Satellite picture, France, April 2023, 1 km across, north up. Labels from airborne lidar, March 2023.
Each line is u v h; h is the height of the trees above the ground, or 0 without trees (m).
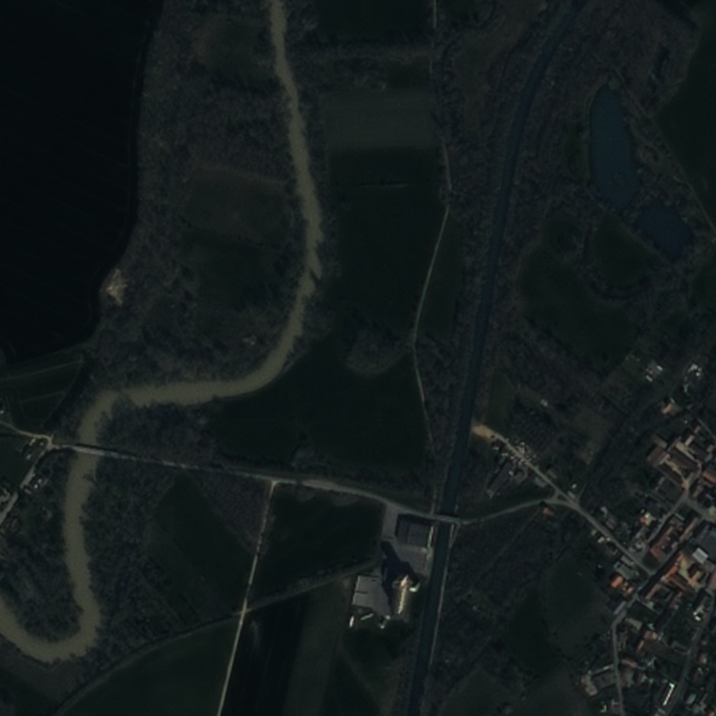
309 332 18
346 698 0
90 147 0
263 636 0
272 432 0
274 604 0
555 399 19
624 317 0
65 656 0
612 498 20
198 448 31
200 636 0
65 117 0
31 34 0
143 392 0
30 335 0
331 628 0
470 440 0
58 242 0
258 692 0
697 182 0
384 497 0
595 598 0
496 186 8
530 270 0
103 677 22
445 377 20
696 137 0
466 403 0
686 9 0
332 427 0
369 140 0
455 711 0
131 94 0
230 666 0
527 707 0
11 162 0
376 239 0
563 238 0
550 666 0
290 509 0
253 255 0
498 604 24
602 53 31
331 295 0
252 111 31
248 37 0
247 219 0
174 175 24
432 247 0
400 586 0
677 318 0
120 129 0
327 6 0
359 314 0
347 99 0
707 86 0
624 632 0
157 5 0
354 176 0
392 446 0
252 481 6
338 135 0
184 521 0
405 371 0
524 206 26
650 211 0
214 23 0
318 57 27
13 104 0
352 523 0
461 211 15
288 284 30
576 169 0
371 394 0
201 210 0
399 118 0
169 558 0
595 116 0
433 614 0
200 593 0
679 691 0
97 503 13
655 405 0
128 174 0
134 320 30
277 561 0
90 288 0
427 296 0
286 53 0
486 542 6
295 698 0
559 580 0
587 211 19
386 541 0
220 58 0
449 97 13
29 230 0
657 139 6
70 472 5
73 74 0
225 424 0
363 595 0
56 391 0
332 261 22
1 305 0
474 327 6
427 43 26
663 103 25
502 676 9
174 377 6
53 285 0
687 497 0
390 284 0
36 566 24
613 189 0
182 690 0
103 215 0
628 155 0
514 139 0
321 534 0
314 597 0
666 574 0
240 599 0
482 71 0
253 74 0
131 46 0
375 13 0
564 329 0
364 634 0
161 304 0
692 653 0
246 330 0
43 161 0
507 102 10
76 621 12
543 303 0
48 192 0
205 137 37
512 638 0
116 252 0
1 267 0
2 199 0
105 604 16
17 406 0
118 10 0
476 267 10
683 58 29
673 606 0
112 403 0
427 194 0
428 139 0
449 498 0
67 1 0
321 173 17
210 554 0
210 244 0
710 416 9
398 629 0
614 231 0
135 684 0
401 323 0
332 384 0
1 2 0
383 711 0
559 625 0
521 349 19
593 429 0
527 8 0
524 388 27
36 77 0
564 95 19
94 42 0
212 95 29
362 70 23
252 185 0
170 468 6
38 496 0
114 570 7
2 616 0
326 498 0
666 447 0
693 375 0
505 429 0
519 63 6
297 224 10
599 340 0
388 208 0
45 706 0
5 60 0
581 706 0
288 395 0
